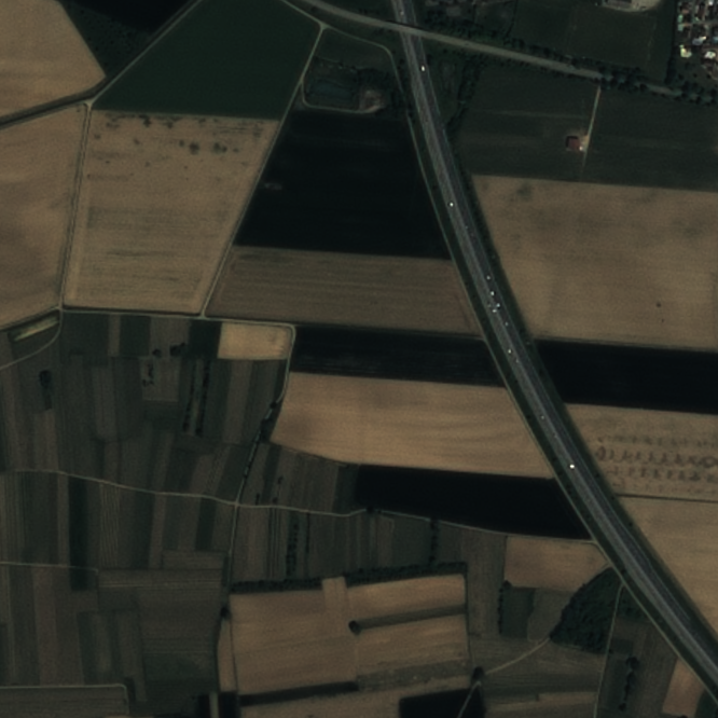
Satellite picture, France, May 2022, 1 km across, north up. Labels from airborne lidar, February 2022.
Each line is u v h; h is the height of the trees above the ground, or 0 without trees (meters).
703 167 0
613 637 0
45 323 0
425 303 0
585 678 0
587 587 8
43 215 0
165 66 0
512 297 0
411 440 0
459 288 0
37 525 0
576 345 0
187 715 0
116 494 0
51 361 0
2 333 0
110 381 0
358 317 0
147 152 0
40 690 0
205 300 0
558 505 0
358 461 0
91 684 0
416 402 0
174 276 0
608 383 0
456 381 0
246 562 0
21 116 0
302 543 0
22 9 0
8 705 0
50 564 0
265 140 0
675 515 0
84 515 0
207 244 0
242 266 0
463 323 0
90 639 0
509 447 0
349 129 0
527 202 0
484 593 0
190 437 0
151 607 0
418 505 0
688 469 0
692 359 0
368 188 0
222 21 0
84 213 0
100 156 0
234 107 0
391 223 0
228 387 0
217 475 0
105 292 0
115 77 0
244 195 0
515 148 0
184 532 0
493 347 0
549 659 0
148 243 0
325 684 0
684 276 0
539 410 0
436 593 0
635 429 0
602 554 0
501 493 0
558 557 0
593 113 0
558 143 0
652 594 0
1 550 0
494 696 0
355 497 0
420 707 0
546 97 0
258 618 0
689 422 0
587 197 0
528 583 0
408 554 0
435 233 0
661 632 0
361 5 0
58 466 0
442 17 8
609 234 0
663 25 0
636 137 0
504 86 0
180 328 0
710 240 0
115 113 0
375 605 0
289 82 0
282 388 0
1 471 0
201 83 0
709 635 0
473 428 0
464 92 6
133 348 0
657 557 0
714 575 0
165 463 0
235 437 0
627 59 0
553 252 0
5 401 0
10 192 0
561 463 0
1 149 0
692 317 0
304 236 0
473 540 0
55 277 0
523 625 0
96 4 0
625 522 0
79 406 0
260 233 0
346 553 0
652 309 0
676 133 0
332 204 0
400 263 0
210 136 0
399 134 0
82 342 0
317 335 0
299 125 0
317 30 0
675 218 0
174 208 0
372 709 0
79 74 0
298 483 0
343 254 0
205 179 0
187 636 0
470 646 0
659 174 0
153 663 0
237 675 0
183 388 0
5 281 0
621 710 8
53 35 0
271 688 0
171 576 0
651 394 0
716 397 0
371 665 0
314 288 0
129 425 0
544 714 0
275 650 0
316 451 0
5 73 0
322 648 0
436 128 0
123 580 0
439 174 0
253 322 0
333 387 0
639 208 0
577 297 0
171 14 0
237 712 0
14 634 0
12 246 0
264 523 0
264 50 0
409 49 0
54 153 0
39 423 0
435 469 0
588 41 0
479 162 0
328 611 0
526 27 0
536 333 0
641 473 0
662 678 0
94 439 0
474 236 0
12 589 0
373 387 0
